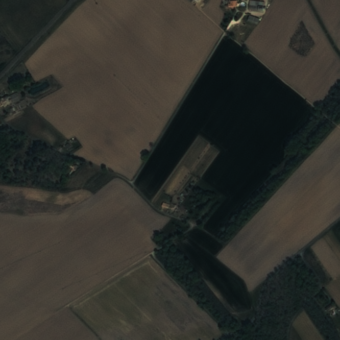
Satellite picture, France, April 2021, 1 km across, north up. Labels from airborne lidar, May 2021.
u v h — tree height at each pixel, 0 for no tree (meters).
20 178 9
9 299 0
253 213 18
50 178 14
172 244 13
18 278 0
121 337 0
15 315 0
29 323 0
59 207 0
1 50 0
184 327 0
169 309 0
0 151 18
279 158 0
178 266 17
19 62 0
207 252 0
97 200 0
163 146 0
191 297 14
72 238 0
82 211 0
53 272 0
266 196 19
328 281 0
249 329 20
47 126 0
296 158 13
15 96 0
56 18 0
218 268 0
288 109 0
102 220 0
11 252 0
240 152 0
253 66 0
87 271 0
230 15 6
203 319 0
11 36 0
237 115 0
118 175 0
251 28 0
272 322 20
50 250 0
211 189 0
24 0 0
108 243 0
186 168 0
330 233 0
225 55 0
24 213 0
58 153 14
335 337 18
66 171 15
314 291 16
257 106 0
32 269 0
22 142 9
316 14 0
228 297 0
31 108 0
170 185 0
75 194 0
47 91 0
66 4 0
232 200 0
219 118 0
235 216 13
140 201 0
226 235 15
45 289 0
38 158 13
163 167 0
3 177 8
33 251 0
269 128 0
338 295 0
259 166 0
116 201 0
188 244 0
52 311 0
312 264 7
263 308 13
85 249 0
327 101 15
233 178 0
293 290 16
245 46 14
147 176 0
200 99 0
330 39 0
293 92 0
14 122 0
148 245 0
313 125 17
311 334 0
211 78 0
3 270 0
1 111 0
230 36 11
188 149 0
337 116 20
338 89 19
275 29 0
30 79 18
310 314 14
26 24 0
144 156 18
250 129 0
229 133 0
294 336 0
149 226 0
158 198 0
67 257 0
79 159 16
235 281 0
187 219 7
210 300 13
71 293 0
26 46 0
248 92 0
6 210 0
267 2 0
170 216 0
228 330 17
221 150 0
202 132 0
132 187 0
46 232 0
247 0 0
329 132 17
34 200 0
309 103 0
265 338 12
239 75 0
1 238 0
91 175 0
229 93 0
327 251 0
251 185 0
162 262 9
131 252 0
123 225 0
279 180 20
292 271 23
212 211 13
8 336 0
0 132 20
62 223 0
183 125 0
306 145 22
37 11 0
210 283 0
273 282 21
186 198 7
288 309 12
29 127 0
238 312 0
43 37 0
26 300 0
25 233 0
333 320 16
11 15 0
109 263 0
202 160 0
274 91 0
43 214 0
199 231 0
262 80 0
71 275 0
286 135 0
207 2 0
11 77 0
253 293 0
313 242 0
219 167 0
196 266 0
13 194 0
